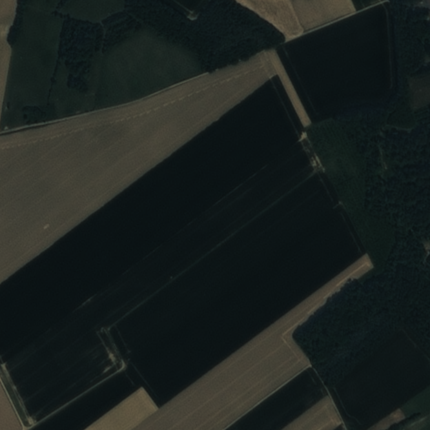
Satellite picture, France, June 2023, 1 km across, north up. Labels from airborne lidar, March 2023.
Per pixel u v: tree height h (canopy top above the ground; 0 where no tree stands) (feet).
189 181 0
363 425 0
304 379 0
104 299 0
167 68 0
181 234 0
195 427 0
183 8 0
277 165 0
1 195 0
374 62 0
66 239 0
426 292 59
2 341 0
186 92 0
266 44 45
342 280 0
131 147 0
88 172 0
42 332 0
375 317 90
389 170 0
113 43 19
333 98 0
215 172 0
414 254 90
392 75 0
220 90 0
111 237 0
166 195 0
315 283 0
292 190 0
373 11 0
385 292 110
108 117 0
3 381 0
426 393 0
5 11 0
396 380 0
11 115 0
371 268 0
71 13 0
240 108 0
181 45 23
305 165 0
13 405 0
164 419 0
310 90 0
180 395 0
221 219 0
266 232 0
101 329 0
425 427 0
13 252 0
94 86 0
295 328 0
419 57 79
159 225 0
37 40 0
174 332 0
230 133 0
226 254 0
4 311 0
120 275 0
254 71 0
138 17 44
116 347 0
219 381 0
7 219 0
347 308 95
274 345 0
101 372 0
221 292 0
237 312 0
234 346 0
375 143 36
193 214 0
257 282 0
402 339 0
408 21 93
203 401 0
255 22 43
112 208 0
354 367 0
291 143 0
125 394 0
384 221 19
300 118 0
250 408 0
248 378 0
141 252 0
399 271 98
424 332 53
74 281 0
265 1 0
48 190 0
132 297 0
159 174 0
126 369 0
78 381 0
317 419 0
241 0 0
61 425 0
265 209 0
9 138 0
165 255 0
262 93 0
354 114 91
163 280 0
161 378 0
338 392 0
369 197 33
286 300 0
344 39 0
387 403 0
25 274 0
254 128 0
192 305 0
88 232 0
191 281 0
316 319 72
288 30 0
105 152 0
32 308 0
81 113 0
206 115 0
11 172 0
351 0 0
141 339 0
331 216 0
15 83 0
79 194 0
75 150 0
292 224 0
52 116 0
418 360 0
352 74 0
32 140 0
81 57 53
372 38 0
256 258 0
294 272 0
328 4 0
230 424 0
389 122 20
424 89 0
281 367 0
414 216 74
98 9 0
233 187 0
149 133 0
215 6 48
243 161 0
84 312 0
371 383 0
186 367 0
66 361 0
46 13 0
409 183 74
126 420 0
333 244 0
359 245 0
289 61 0
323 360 79
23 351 0
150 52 0
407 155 52
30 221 0
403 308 94
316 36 0
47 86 0
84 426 0
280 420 0
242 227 0
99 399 0
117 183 0
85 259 0
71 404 0
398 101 57
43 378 0
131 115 0
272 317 0
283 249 0
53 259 0
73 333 0
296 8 0
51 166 0
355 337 94
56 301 0
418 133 84
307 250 0
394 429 38
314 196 0
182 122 0
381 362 0
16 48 0
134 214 0
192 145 0
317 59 0
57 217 0
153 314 0
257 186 0
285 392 0
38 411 0
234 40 52
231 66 0
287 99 0
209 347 0
